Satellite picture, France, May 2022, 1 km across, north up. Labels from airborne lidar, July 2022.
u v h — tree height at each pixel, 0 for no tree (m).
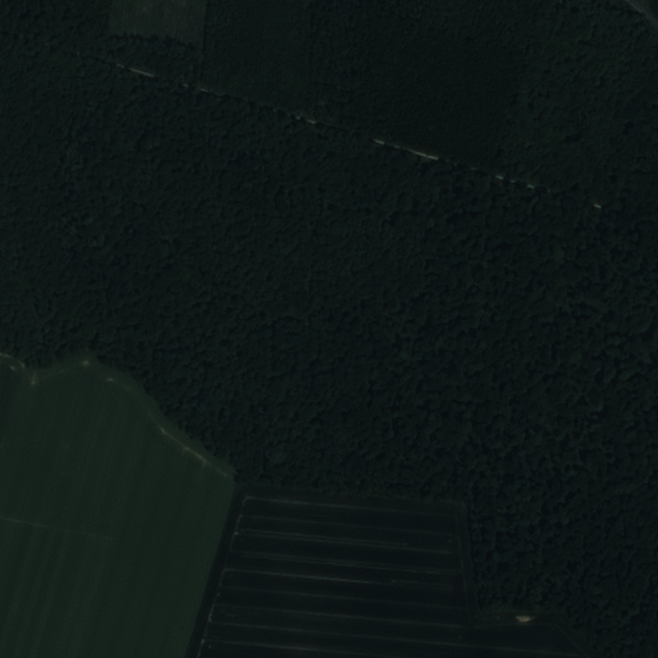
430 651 0
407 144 23
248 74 12
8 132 19
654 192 21
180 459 0
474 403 9
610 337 22
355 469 29
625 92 23
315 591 0
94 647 0
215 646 0
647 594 30
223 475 0
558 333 25
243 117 19
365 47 22
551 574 28
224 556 0
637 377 25
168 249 26
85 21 24
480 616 0
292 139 18
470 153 24
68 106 16
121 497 0
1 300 22
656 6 0
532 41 20
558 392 25
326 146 17
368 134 12
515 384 21
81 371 0
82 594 0
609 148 21
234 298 28
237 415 28
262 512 0
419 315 26
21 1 26
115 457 0
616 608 29
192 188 18
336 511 0
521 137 18
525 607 26
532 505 25
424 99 24
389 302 22
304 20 13
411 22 20
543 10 22
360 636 0
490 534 24
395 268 18
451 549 0
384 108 22
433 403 27
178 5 0
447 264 24
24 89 21
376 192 23
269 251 20
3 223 22
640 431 28
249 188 24
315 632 0
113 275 26
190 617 0
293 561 0
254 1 15
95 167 27
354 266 21
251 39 14
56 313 18
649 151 23
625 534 25
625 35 22
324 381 24
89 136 16
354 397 20
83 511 0
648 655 22
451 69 24
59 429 0
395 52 22
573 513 24
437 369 25
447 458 26
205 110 21
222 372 24
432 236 25
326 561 0
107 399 0
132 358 24
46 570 0
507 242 22
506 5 19
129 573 0
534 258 23
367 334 23
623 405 13
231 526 0
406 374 28
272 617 0
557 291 25
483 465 28
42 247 17
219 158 21
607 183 22
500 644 0
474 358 27
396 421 27
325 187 23
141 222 22
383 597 0
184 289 21
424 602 0
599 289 23
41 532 0
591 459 25
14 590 0
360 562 0
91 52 17
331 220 23
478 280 27
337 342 26
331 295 22
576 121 21
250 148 20
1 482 0
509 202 14
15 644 0
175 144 22
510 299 26
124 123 18
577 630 19
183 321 21
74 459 0
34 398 0
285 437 21
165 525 0
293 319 20
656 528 29
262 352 20
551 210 25
